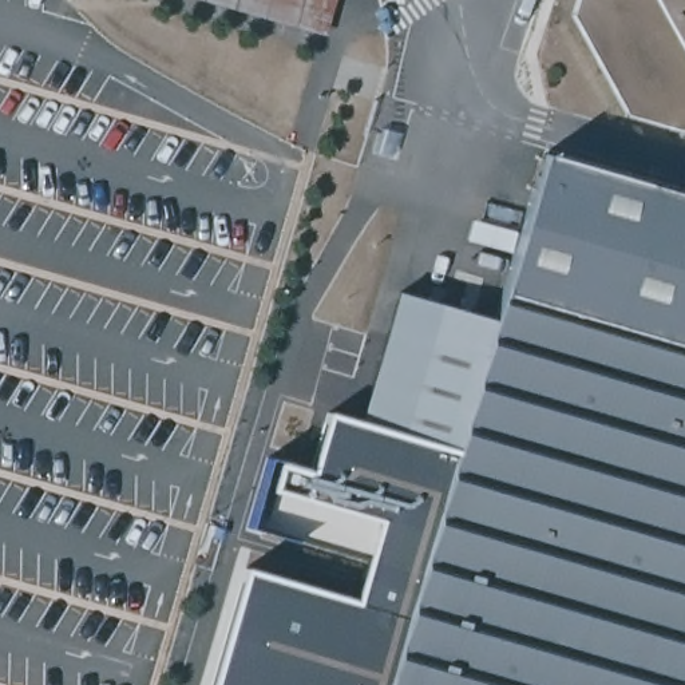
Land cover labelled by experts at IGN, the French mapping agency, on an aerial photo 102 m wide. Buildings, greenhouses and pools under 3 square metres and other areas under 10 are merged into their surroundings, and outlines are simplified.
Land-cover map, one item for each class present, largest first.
<instances>
[{"label":"impervious surface","instance_id":"1","mask_svg":"<svg viewBox=\"0 0 685 685\"><path fill-rule=\"evenodd\" d=\"M72 0H0V685H201L241 549L252 551V570L286 575L348 597L361 594L369 570V554L383 551L388 522L294 492L278 500L281 468L286 463H297L313 468L318 463L321 428L329 415H351L359 420L367 417L404 294L479 313L487 318L500 316L503 284L511 268V249L516 243V233L524 230L527 198L535 179L541 177L535 158L567 155L583 163L631 174L685 193V136L626 120L621 115H597L589 123H581L573 115L551 112L546 107V75L538 62V51L546 37V27L557 0H337L332 27L324 35L308 37L297 27L273 24L268 19H254L241 11H225L198 0H158L169 5L179 21H185L190 16L209 21L211 16L222 19L225 13L227 24L249 27L254 35L262 37L273 35L281 43L297 45V56L310 62L294 126L284 128L278 136H270L222 112L219 107L193 96L169 78L153 72L150 67L134 62L115 45H110L102 35L83 24L80 11L70 5ZM361 35L391 37L388 78L377 99V112L372 120V131L367 136V150L359 169V182L353 187V198L348 209H343V219L334 235L329 238V246L324 249L321 260H310V273L302 276V284H297L292 292V305L286 308L284 337L268 334V321L276 308V292L284 284L286 265L294 260V241L300 235L297 225L300 217L308 211L305 193L316 182L313 163L321 155L318 126L329 107L343 54ZM375 209L396 214V233L383 235L385 243H396V254L391 260L388 278L377 276L372 300L364 308V326L369 329V337H356L351 332L316 324L313 308L329 286L348 246L353 243V238L359 235V230ZM193 589L203 599L198 623L182 621V602Z\"/></svg>","mask_w":685,"mask_h":685},{"label":"building","instance_id":"2","mask_svg":"<svg viewBox=\"0 0 685 685\"><path fill-rule=\"evenodd\" d=\"M225 11H241L254 19H268L273 24L297 27L308 37L324 35L332 27L337 0H198ZM573 24L581 40L586 43L589 56L599 67V75L610 88L621 115L626 120L685 136V0H573ZM541 177L535 179L527 198L524 230L516 233V243L511 249V268L503 284L500 316L487 318L479 313L404 294L367 417L359 420L351 415H329L321 428L318 463L313 468L297 463H286L281 468L278 500L294 492L388 522L383 551L369 554V570L361 594L348 597L286 575L252 570V551L241 549L201 685H685V193L631 174L583 163L567 155L535 158Z\"/></svg>","mask_w":685,"mask_h":685},{"label":"herbaceous vegetation","instance_id":"3","mask_svg":"<svg viewBox=\"0 0 685 685\"><path fill-rule=\"evenodd\" d=\"M70 5L80 11L83 24L102 35L110 45H115L134 62L150 67L153 72L169 78L193 96L219 107L222 112L270 136H278L284 128L294 126L310 62L297 56V45L281 43L273 35L262 37L254 48H243L233 29L227 37H217L206 24H201L198 29H187L185 21H179L169 5L158 0H72ZM538 62L546 75V107L551 112L573 115L581 123H589L597 115H621L610 88L599 75V67L589 56L586 43L581 40L573 24V0H557L546 27V37L538 51ZM391 37L361 35L343 54L329 107L318 126L321 155L313 163L316 182L305 193L308 211L300 217L297 225L300 235L294 241V260L297 273L302 276L310 273V260H321L324 249L329 246V238L334 235L343 219V209H348L353 198V187L359 182V169L367 150V136L372 131V120L377 112V99L388 78ZM396 214L375 209L359 230V235L353 238V243L348 246L329 286L313 308L316 324L351 332L356 337H369V329L364 326V308L372 300L377 276L388 278L391 260L396 254V243H385L383 235L396 233Z\"/></svg>","mask_w":685,"mask_h":685},{"label":"deciduous trees","instance_id":"4","mask_svg":"<svg viewBox=\"0 0 685 685\"><path fill-rule=\"evenodd\" d=\"M201 24H206L217 37H227L233 29L243 48H254L262 37L254 35L249 27L227 24L225 13L222 19L211 16L209 21L190 16L185 21L187 29H198ZM297 284H302V276L297 273L294 260L286 265L284 284L276 292V308L268 321V334L284 337L286 308L292 305V292ZM203 599L193 589L182 602V621L198 623Z\"/></svg>","mask_w":685,"mask_h":685}]
</instances>
